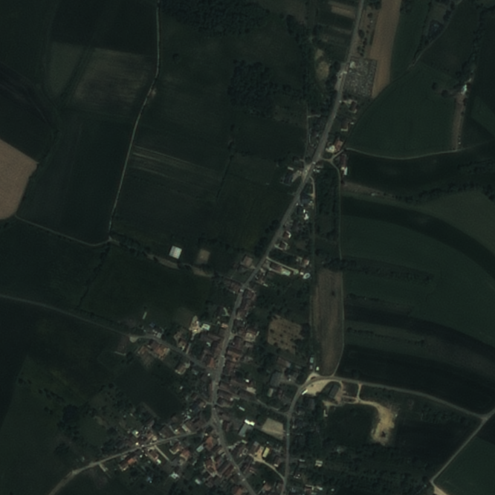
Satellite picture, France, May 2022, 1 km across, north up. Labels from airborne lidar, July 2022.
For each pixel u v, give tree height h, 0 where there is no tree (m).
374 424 0
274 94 12
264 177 0
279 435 0
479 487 0
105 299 0
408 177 0
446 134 0
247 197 0
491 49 0
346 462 7
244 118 0
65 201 0
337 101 0
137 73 0
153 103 0
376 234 0
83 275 0
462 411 0
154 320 0
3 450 0
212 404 0
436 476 0
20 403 0
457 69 0
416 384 0
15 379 0
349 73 0
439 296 0
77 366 0
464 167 12
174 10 32
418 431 0
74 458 0
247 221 0
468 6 0
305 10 0
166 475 7
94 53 0
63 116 0
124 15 0
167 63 0
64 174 0
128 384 0
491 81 0
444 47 0
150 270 0
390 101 0
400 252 0
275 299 0
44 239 0
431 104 0
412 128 0
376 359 0
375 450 14
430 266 0
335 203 8
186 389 6
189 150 0
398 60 0
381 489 6
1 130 0
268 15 12
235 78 14
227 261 0
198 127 0
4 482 0
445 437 0
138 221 0
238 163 0
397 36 0
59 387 0
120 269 0
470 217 0
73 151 0
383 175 0
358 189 0
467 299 0
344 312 0
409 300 0
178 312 0
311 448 20
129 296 0
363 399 7
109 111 0
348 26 0
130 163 0
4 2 0
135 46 0
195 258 0
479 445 0
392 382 0
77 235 0
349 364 0
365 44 7
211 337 0
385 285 0
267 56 0
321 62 0
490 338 0
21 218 0
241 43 0
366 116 0
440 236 0
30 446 0
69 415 28
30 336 0
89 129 0
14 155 0
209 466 0
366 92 0
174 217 0
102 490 0
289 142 0
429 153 0
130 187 0
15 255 0
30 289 0
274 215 0
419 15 0
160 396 0
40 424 0
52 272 0
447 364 0
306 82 8
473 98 0
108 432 6
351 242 0
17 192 0
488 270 0
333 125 0
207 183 0
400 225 0
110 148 0
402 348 0
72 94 0
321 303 0
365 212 0
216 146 0
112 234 19
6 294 0
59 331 0
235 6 18
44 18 0
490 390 0
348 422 0
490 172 11
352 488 11
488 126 0
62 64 0
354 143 0
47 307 0
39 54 0
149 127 0
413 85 0
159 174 0
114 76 0
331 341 0
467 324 0
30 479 0
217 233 0
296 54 0
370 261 0
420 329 0
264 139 0
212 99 0
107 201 0
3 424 0
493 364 0
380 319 0
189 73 0
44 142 0
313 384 0
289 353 8
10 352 0
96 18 0
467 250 0
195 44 0
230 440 0
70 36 0
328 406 0
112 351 0
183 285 0
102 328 0
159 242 0
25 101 0
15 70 0
